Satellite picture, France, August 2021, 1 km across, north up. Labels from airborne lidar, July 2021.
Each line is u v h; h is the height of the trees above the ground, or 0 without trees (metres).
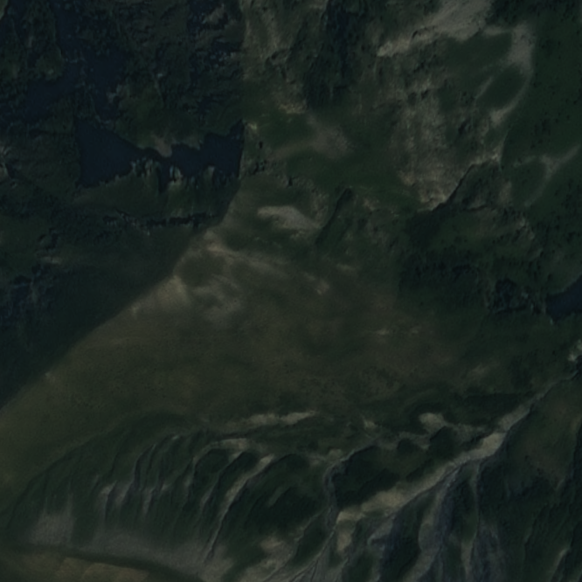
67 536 0
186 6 0
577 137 0
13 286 0
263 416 0
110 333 0
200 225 0
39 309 0
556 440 0
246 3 0
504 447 0
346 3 10
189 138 0
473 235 0
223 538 0
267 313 0
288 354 0
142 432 0
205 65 0
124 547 0
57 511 0
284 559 0
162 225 0
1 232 0
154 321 0
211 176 0
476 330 0
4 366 0
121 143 0
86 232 0
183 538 0
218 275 0
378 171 0
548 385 0
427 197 0
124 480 0
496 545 0
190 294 0
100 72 7
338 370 0
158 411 0
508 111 0
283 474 0
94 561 0
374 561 0
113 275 0
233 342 0
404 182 0
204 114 0
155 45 0
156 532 0
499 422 0
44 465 0
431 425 0
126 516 0
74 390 0
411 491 0
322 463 0
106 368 0
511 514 0
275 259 0
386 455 0
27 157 0
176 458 0
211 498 0
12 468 0
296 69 0
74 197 0
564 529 0
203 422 0
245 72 0
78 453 0
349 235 0
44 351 0
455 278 8
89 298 0
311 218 0
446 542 0
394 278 0
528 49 0
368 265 0
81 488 0
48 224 0
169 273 0
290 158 0
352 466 5
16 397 0
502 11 8
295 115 0
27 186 0
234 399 0
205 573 0
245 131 0
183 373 0
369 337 0
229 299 0
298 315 0
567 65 0
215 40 0
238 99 0
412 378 0
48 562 0
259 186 0
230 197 0
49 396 0
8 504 0
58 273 0
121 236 0
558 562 0
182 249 0
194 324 0
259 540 0
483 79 0
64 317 0
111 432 0
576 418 0
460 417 0
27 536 0
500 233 0
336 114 0
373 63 0
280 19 0
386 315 0
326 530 0
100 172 0
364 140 0
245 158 0
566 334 0
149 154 0
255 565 0
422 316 0
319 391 0
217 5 0
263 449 0
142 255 0
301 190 0
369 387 0
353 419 0
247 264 0
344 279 0
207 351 0
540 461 0
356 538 0
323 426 0
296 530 0
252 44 0
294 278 0
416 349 0
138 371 0
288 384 0
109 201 0
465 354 0
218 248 0
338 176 0
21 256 0
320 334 0
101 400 0
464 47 0
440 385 0
